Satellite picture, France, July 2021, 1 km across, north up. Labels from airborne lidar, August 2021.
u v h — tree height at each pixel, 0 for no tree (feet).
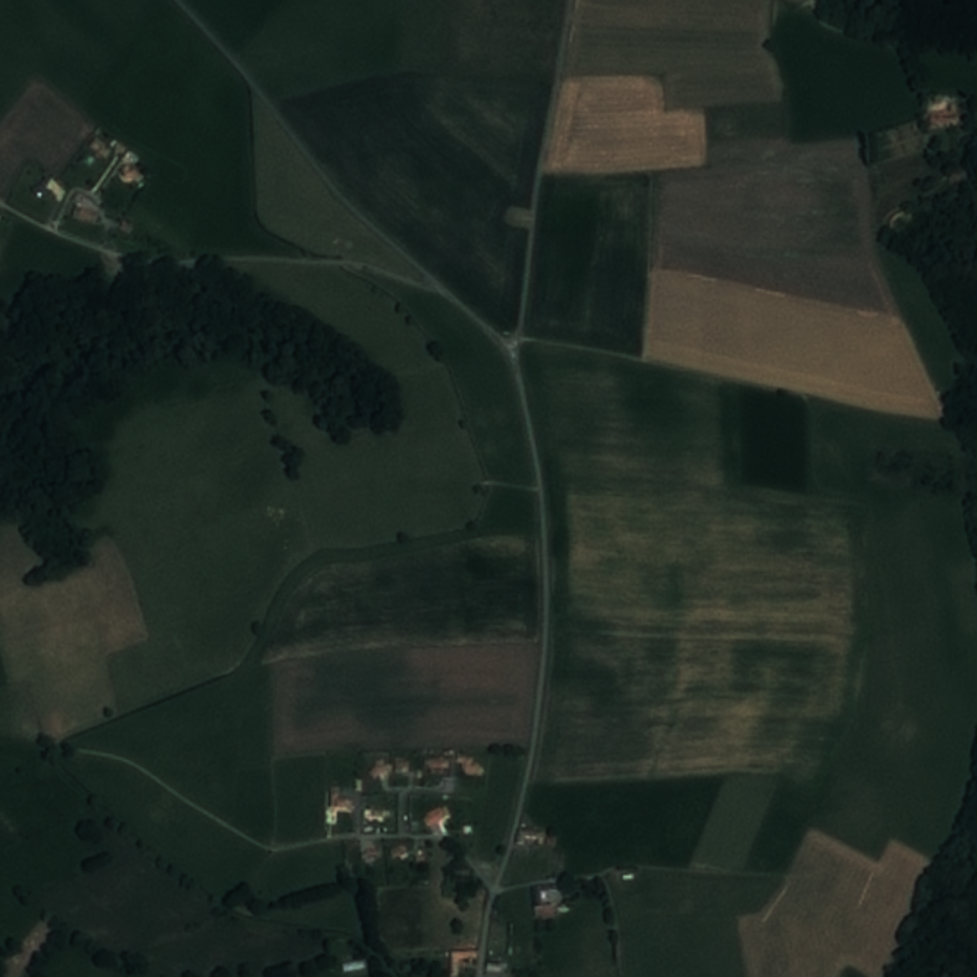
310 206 0
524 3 0
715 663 0
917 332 0
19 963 0
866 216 0
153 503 0
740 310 0
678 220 0
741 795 0
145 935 0
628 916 0
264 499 0
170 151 0
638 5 0
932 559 0
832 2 69
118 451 0
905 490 0
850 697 0
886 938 0
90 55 0
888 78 0
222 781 0
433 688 0
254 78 0
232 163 0
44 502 66
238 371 0
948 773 0
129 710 0
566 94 0
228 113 0
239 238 0
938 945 84
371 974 39
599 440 0
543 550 0
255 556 0
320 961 52
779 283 0
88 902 0
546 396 0
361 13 0
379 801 0
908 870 0
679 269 0
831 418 0
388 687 0
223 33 0
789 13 0
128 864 0
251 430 0
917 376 0
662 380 0
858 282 0
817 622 0
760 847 0
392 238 0
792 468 0
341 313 0
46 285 76
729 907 0
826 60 0
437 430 0
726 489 0
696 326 0
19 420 38
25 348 83
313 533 0
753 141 0
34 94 0
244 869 0
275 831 0
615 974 0
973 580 0
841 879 0
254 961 0
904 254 58
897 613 0
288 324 89
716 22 0
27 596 0
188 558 0
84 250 0
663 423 0
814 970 0
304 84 0
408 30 0
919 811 0
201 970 0
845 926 0
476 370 0
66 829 0
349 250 0
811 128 0
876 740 0
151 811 0
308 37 0
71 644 0
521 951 0
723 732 0
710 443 0
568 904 30
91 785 0
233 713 0
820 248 0
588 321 0
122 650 0
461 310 0
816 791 0
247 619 0
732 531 0
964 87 0
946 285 64
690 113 0
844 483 0
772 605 0
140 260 62
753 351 0
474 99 0
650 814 0
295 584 0
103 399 91
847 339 0
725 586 0
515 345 0
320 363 93
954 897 72
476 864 0
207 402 0
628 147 0
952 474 20
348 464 0
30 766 0
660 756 0
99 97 0
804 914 0
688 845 0
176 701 0
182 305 94
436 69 0
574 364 0
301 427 0
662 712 0
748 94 0
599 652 0
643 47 0
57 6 0
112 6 0
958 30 65
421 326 0
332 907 0
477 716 0
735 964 0
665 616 0
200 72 0
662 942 0
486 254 0
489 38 0
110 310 75
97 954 45
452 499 0
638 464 0
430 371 0
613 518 0
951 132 26
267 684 0
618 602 0
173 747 0
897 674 0
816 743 0
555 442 0
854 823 0
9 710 0
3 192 0
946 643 0
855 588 0
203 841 0
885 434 0
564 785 0
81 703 0
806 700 0
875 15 76
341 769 0
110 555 0
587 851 0
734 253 0
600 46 0
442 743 0
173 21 0
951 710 0
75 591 0
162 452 0
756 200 0
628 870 24
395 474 0
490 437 0
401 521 0
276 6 0
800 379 0
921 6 66
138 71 0
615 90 0
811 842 0
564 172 0
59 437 25
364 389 91
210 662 0
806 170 0
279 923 0
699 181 0
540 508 0
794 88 0
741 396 0
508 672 0
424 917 0
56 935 51
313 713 0
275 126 0
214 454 0
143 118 0
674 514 0
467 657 0
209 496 0
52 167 0
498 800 0
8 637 0
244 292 76
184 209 0
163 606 0
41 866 0
